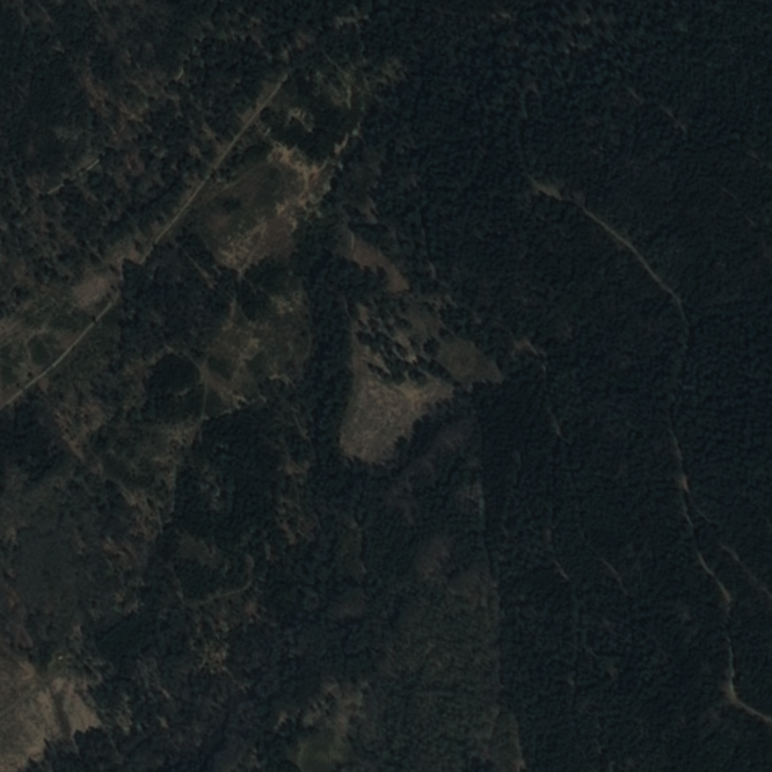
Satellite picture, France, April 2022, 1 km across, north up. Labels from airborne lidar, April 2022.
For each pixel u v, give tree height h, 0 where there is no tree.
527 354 8
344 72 20
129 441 6
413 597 15
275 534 14
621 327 18
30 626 16
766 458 17
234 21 24
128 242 29
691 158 23
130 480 8
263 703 28
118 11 19
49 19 23
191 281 26
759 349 24
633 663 16
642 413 23
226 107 29
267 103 0
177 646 32
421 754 20
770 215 10
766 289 21
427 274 13
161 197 24
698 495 19
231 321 31
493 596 11
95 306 0
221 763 33
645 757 18
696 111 14
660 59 19
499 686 15
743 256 20
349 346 30
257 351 0
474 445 29
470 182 22
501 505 18
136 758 24
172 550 17
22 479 17
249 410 7
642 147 22
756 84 14
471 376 0
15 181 19
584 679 21
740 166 18
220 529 11
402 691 18
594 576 20
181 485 10
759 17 18
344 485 28
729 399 23
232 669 10
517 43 16
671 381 30
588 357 19
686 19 19
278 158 0
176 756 29
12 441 25
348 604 25
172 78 18
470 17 14
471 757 19
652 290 9
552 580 14
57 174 19
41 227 20
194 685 22
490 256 30
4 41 24
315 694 17
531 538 11
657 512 19
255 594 16
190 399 10
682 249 23
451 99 26
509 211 20
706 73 18
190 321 31
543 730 21
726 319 14
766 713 13
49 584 15
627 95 20
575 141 19
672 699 16
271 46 26
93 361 7
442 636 9
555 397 11
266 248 0
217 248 0
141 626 15
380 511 25
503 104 29
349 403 11
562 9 13
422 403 0
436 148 21
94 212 30
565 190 17
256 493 21
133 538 12
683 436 18
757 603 16
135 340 32
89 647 15
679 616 16
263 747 18
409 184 20
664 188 15
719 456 20
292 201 0
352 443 0
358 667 32
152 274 18
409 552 27
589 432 20
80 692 0
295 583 13
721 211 18
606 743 16
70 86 21
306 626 26
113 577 12
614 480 17
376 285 30
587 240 22
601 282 23
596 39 23
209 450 7
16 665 0
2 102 19
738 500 19
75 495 26
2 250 23
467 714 17
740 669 15
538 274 26
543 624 5
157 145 34
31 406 20
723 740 18
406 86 0
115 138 24
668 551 21
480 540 28
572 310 25
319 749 0
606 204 17
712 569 16
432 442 24
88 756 25
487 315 28
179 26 21
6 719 0
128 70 21
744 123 15
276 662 35
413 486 19
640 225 16
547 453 22
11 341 0
